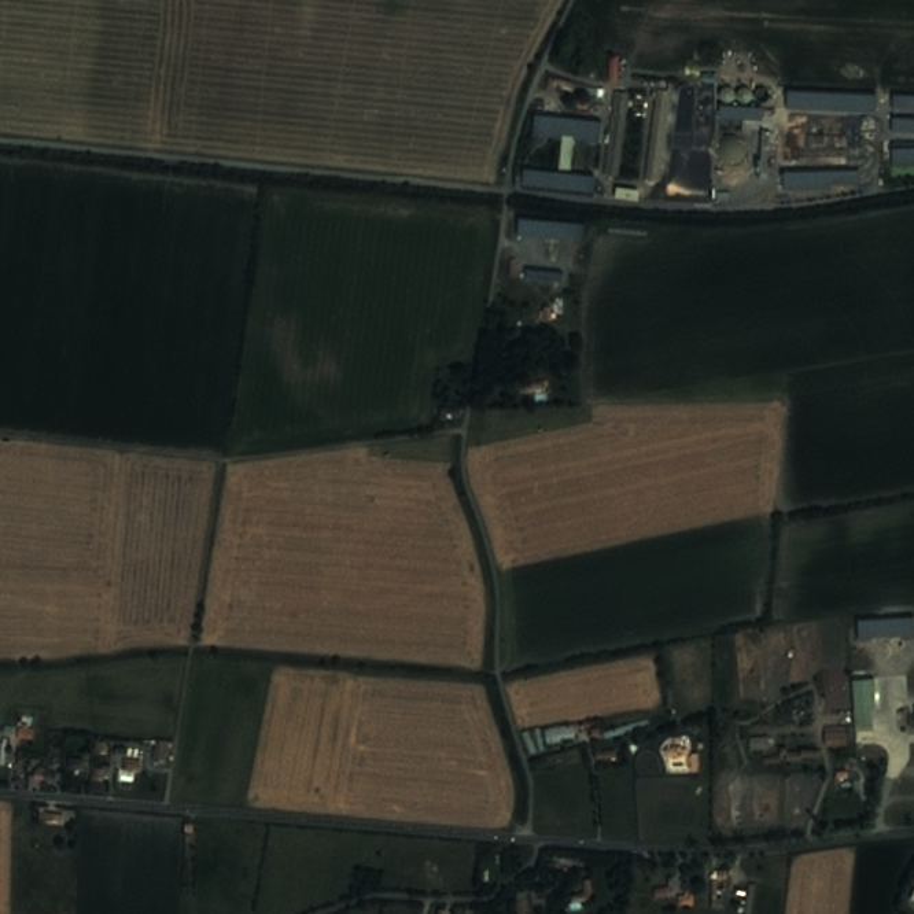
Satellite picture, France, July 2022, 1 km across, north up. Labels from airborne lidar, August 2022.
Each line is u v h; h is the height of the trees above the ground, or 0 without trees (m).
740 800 0
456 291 0
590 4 0
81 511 0
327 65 0
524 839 0
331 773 0
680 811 0
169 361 0
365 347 0
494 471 0
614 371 0
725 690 0
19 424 0
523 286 0
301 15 0
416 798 0
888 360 0
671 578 0
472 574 0
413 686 0
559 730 0
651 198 0
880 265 0
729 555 0
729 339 0
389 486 0
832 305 0
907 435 0
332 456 0
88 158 7
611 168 0
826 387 0
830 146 0
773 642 0
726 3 0
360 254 0
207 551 0
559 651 0
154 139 0
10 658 0
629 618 0
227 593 0
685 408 0
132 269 0
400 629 0
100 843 0
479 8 0
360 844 0
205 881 0
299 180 7
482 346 17
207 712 0
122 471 0
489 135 0
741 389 0
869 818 14
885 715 0
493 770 0
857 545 0
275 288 0
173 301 0
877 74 0
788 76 0
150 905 0
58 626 0
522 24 0
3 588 0
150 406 0
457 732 0
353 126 0
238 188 0
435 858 0
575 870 13
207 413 0
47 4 0
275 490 0
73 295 0
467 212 0
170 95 0
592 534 0
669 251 0
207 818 0
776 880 0
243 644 0
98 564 0
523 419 0
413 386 0
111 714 0
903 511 0
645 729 14
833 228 0
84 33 0
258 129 0
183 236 0
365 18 0
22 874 0
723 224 8
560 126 0
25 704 0
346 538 0
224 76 0
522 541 0
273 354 0
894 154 0
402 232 0
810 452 0
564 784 0
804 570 0
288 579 0
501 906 11
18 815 0
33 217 0
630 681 0
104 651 0
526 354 12
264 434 0
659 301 0
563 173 0
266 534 0
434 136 0
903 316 0
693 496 0
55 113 0
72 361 0
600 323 0
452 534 0
